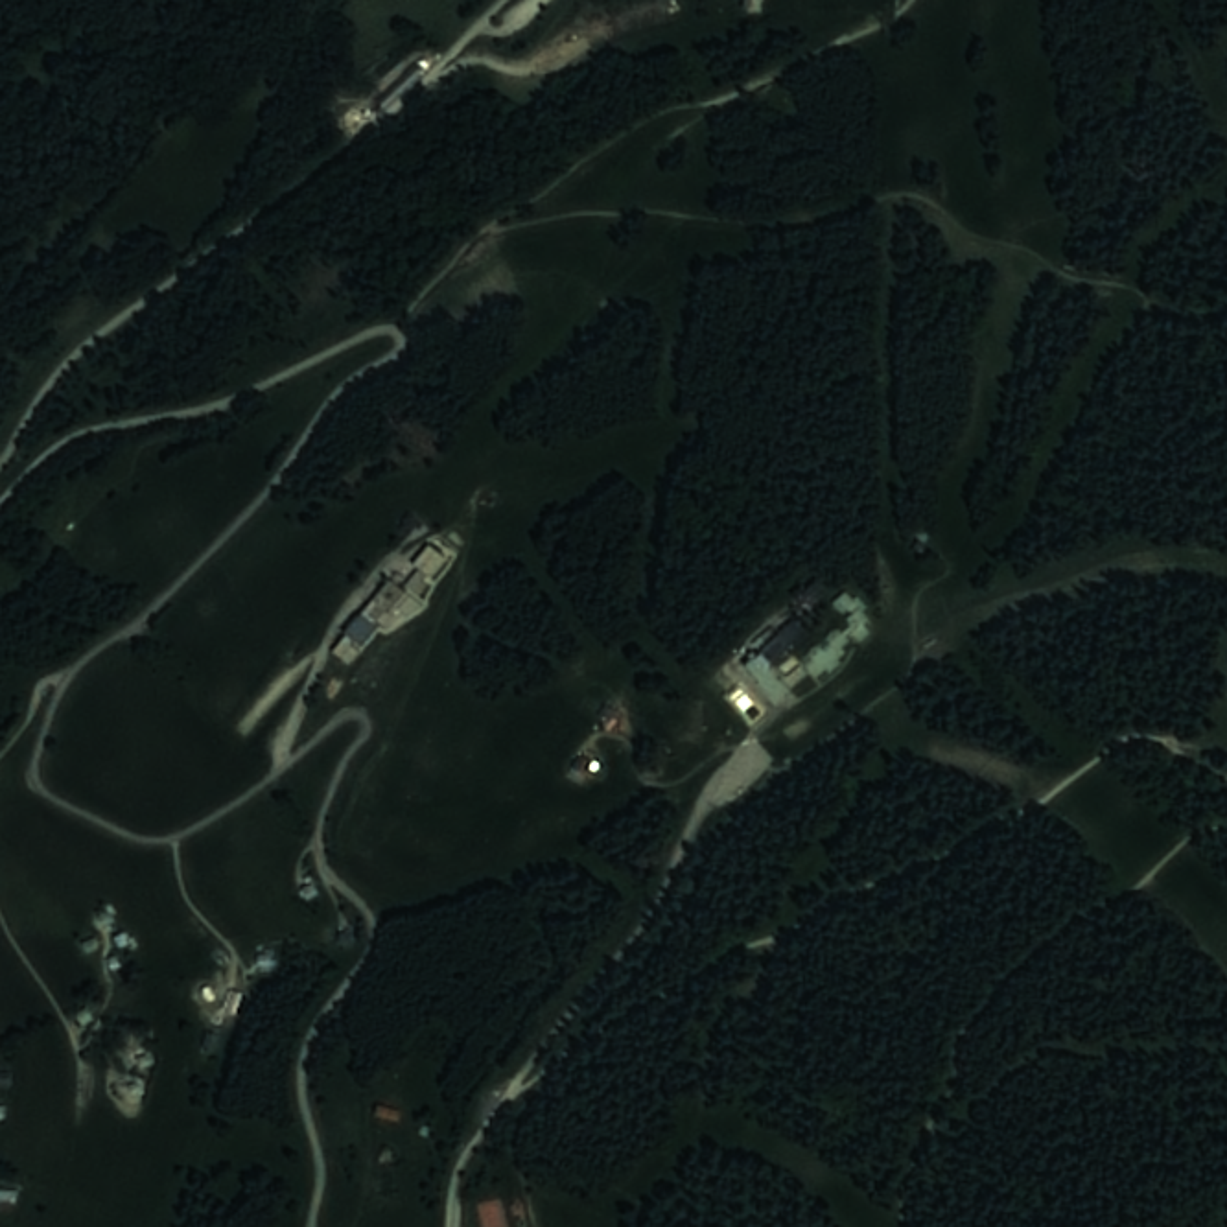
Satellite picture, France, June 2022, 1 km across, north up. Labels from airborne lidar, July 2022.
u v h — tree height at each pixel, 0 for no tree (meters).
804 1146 10
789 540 15
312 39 20
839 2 0
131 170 16
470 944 21
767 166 21
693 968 25
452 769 0
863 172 20
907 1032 24
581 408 22
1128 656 11
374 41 0
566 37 0
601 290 0
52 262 20
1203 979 28
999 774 0
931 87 0
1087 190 27
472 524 0
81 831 0
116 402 20
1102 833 0
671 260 0
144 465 0
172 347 23
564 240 0
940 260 25
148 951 0
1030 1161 23
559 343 0
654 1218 22
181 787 0
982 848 13
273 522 0
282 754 0
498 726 0
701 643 22
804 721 0
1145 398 20
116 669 0
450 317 23
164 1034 0
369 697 0
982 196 0
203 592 0
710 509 27
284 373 0
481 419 0
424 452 0
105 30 22
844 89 23
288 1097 15
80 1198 0
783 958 10
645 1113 29
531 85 0
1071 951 22
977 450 0
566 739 0
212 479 0
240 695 0
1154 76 24
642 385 23
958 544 0
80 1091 0
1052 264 0
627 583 28
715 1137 0
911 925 28
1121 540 10
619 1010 23
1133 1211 11
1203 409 13
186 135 0
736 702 0
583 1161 21
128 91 25
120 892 0
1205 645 26
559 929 27
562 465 0
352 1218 0
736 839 28
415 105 20
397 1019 18
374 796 0
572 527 22
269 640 0
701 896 9
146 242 22
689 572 26
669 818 28
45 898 0
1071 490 21
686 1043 32
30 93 22
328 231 27
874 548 21
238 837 0
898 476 0
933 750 0
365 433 24
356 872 0
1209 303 19
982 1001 18
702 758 0
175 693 0
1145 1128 28
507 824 0
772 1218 29
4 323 23
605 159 0
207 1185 20
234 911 0
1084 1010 21
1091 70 24
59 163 29
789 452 30
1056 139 0
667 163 16
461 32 0
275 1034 20
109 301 20
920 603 0
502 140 24
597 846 24
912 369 20
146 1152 0
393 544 6
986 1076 21
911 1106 30
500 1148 13
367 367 0
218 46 26
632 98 24
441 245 21
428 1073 0
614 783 0
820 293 32
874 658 0
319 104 22
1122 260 29
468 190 17
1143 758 26
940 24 0
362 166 16
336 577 0
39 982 0
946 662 8
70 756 0
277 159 25
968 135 0
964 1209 6
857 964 21
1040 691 11
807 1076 7
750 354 15
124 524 0
